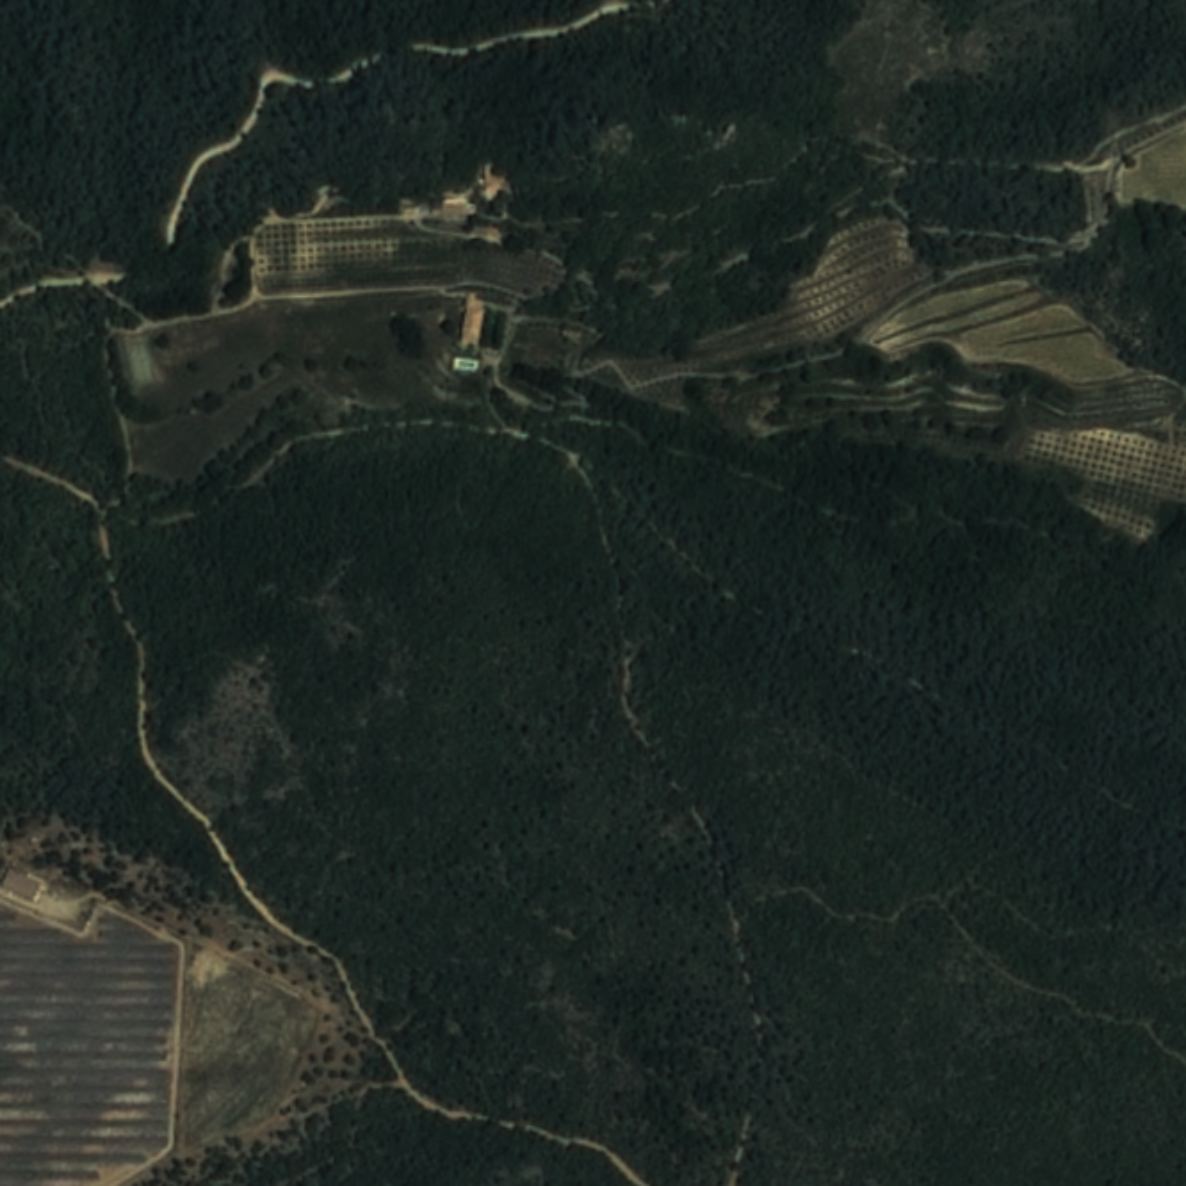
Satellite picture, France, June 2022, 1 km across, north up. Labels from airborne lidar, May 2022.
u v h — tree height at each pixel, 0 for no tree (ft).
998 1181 23
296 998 0
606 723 25
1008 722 36
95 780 46
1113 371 0
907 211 40
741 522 39
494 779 22
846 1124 20
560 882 25
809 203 41
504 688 21
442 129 21
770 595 42
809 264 31
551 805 19
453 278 0
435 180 36
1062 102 44
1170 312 42
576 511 19
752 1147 24
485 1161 20
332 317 0
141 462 0
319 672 22
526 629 46
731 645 33
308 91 26
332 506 29
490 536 28
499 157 39
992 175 75
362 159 44
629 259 40
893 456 34
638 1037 34
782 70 45
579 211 44
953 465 42
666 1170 18
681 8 31
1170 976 36
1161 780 44
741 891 53
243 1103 0
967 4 40
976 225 40
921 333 0
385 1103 19
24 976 0
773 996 37
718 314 38
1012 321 0
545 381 56
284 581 37
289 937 0
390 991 28
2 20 70
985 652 25
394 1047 26
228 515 24
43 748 29
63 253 47
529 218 41
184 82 63
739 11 36
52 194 40
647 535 26
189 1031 0
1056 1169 24
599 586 48
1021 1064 26
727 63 33
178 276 26
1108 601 32
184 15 48
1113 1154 21
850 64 0
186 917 21
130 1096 0
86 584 39
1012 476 52
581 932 33
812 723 26
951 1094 22
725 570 22
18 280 34
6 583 34
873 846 20
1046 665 49
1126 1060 28
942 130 30
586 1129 38
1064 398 22
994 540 45
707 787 27
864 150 33
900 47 0
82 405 39
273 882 23
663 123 25
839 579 46
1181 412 0
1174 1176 27
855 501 39
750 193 31
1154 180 0
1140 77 21
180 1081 0
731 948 25
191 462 0
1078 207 31
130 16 45
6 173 44
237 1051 0
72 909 0
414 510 20
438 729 20
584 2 34
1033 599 19
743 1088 25
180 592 23
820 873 20
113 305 49
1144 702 60
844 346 44
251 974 0
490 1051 22
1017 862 22
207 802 0
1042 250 42
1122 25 50
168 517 31
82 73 47
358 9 50
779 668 50
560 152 54
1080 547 50
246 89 56
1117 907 27
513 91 46
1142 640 38
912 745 27
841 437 56
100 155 51
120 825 35
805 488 48
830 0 38
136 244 62
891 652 55
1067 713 45
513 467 20
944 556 46
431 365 0
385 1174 22
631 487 22
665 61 39
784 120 38
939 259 59
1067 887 29
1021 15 27
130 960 0
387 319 0
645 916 24
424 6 55
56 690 26
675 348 47
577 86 31
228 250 38
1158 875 22
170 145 31
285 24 50
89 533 20
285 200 34
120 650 18
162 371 0
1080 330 0
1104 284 61
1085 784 53
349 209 30
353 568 23
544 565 34
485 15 47
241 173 17
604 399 38
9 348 22
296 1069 0
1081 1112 24
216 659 23
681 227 30
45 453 42
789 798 25
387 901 44
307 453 35
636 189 28
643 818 21
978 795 59
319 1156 23
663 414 53
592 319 26
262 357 0
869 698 64
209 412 23
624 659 24
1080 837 60
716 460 24
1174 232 29
